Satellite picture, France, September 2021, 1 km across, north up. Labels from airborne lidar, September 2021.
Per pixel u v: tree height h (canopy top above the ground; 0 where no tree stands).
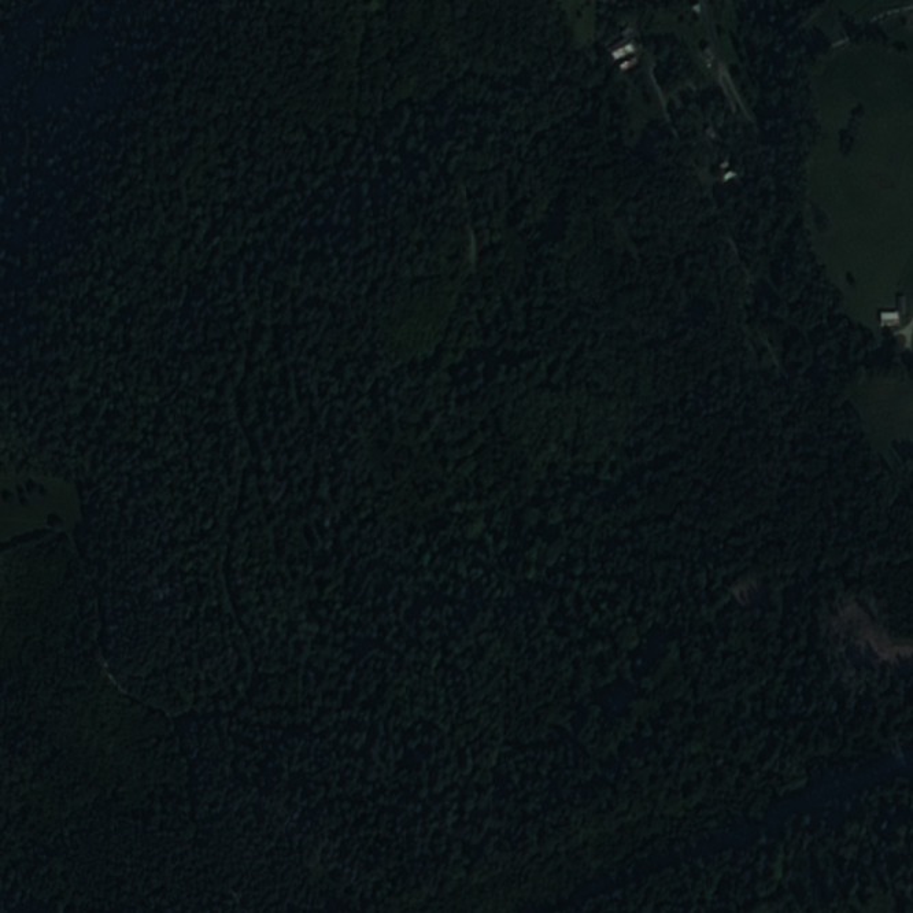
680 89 18
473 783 25
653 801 33
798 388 27
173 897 26
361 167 23
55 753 23
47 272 20
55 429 29
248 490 13
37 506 0
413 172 29
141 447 17
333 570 26
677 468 20
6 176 25
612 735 34
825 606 19
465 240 37
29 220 26
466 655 18
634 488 20
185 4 16
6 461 15
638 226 22
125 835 30
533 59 32
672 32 0
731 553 18
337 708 26
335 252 27
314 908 29
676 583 26
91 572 27
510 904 8
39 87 25
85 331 18
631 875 6
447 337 30
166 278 23
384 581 28
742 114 6
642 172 24
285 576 9
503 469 21
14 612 24
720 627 17
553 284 31
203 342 11
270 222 33
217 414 22
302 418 6
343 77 24
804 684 21
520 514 26
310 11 35
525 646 31
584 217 25
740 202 24
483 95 29
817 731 16
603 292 23
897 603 9
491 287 17
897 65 0
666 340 12
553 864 8
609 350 28
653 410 20
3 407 20
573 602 10
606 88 6
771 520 18
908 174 0
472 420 27
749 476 18
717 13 8
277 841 25
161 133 21
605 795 28
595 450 26
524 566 8
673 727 32
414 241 24
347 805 14
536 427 25
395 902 18
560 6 6
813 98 18
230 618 16
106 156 19
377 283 15
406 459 7
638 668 15
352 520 19
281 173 16
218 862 25
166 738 10
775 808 10
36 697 28
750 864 32
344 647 23
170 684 30
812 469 28
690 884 23
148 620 28
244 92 20
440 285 28
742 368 28
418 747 19
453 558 29
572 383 27
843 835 32
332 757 23
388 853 21
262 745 17
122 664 22
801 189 23
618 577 24
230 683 27
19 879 25
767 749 21
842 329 19
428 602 11
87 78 26
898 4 0
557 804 28
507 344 30
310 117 23
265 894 31
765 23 9
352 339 34
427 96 29
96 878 29
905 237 0
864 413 0
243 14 16
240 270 30
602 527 24
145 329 17
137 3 25
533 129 27
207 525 18
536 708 25
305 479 27
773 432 21
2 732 27
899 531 21
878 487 28
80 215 19
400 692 21
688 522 21
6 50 19
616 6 13
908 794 21
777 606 17
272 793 29
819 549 21
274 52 23
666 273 23
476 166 32
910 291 0
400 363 33
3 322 24
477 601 20
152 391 16
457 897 7
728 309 24
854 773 9
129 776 25
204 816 21
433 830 30
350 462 29
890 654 0
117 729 19
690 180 23
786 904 22
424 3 28
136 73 30
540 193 23
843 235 0
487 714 25
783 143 33
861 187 0
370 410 13
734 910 24
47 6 18
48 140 21
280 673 24
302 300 23
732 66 0
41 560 19
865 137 0
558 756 29
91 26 28
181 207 27
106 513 19
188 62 26
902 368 15
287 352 27
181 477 15
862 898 23
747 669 27
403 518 6
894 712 22
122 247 20
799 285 24
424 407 31
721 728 37
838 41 0
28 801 19
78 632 24
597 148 29
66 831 27
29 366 31
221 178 28
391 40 28
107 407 19
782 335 22
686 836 7
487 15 21
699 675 28
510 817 24
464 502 20
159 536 31
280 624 26
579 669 24
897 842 32
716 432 29
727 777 17
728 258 30
